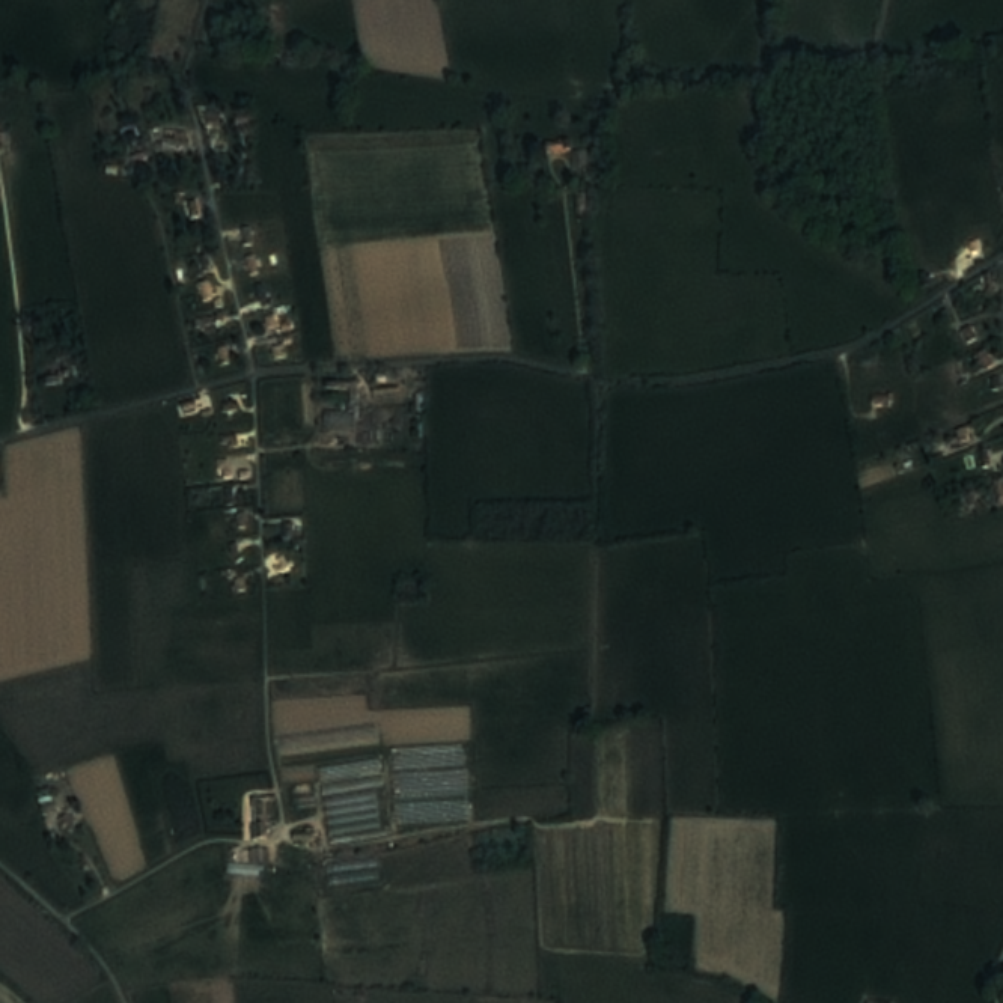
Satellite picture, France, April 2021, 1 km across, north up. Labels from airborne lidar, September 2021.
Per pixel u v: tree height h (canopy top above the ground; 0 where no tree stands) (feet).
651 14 0
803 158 76
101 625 0
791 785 0
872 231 50
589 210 42
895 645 0
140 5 0
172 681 0
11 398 0
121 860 0
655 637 0
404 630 0
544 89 0
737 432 0
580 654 0
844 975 0
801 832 0
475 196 0
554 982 0
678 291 0
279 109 0
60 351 22
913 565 0
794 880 0
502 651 0
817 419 0
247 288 0
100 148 25
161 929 0
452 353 0
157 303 0
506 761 0
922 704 0
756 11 0
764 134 58
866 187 77
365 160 0
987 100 26
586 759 0
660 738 0
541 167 67
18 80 65
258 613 0
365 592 0
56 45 0
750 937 0
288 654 0
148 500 0
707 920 0
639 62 52
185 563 0
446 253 0
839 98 86
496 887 0
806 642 0
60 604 0
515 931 0
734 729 0
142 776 0
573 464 0
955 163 0
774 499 0
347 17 0
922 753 0
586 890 0
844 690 0
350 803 0
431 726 0
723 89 62
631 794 0
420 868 0
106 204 0
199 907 0
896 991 0
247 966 0
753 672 0
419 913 0
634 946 0
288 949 0
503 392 0
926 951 0
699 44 0
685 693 0
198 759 0
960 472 22
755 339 0
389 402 0
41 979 0
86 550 0
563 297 0
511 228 0
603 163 62
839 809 0
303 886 0
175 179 42
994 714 0
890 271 51
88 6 0
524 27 0
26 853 0
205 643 0
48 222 0
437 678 0
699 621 0
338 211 0
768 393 0
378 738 0
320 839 0
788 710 0
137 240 0
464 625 0
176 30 0
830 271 0
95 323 0
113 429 0
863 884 0
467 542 25
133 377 0
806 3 0
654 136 0
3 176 0
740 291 0
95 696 0
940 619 0
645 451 0
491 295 0
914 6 0
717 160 0
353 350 0
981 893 0
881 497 0
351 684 0
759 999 51
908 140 0
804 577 0
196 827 25
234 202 0
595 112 55
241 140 37
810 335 0
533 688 0
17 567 0
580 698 0
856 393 0
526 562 0
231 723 0
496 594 0
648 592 0
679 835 0
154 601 0
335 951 0
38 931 0
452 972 0
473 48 0
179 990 0
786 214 77
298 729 0
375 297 0
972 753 0
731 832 0
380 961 0
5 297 0
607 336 44
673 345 0
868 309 0
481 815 0
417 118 0
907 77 27
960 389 0
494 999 0
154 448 0
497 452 0
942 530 0
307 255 0
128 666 0
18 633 0
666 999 0
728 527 0
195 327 23
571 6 0
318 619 0
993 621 0
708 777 0
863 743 0
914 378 24
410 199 0
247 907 0
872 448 0
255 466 0
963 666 0
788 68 97
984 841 0
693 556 0
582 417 0
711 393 0
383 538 0
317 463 0
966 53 68
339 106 49
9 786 0
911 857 0
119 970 0
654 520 0
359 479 0
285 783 0
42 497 0
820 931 0
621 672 0
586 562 0
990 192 0
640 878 0
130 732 0
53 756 0
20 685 0
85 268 0
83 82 59
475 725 0
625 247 0
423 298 0
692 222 0
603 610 0
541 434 0
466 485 0
